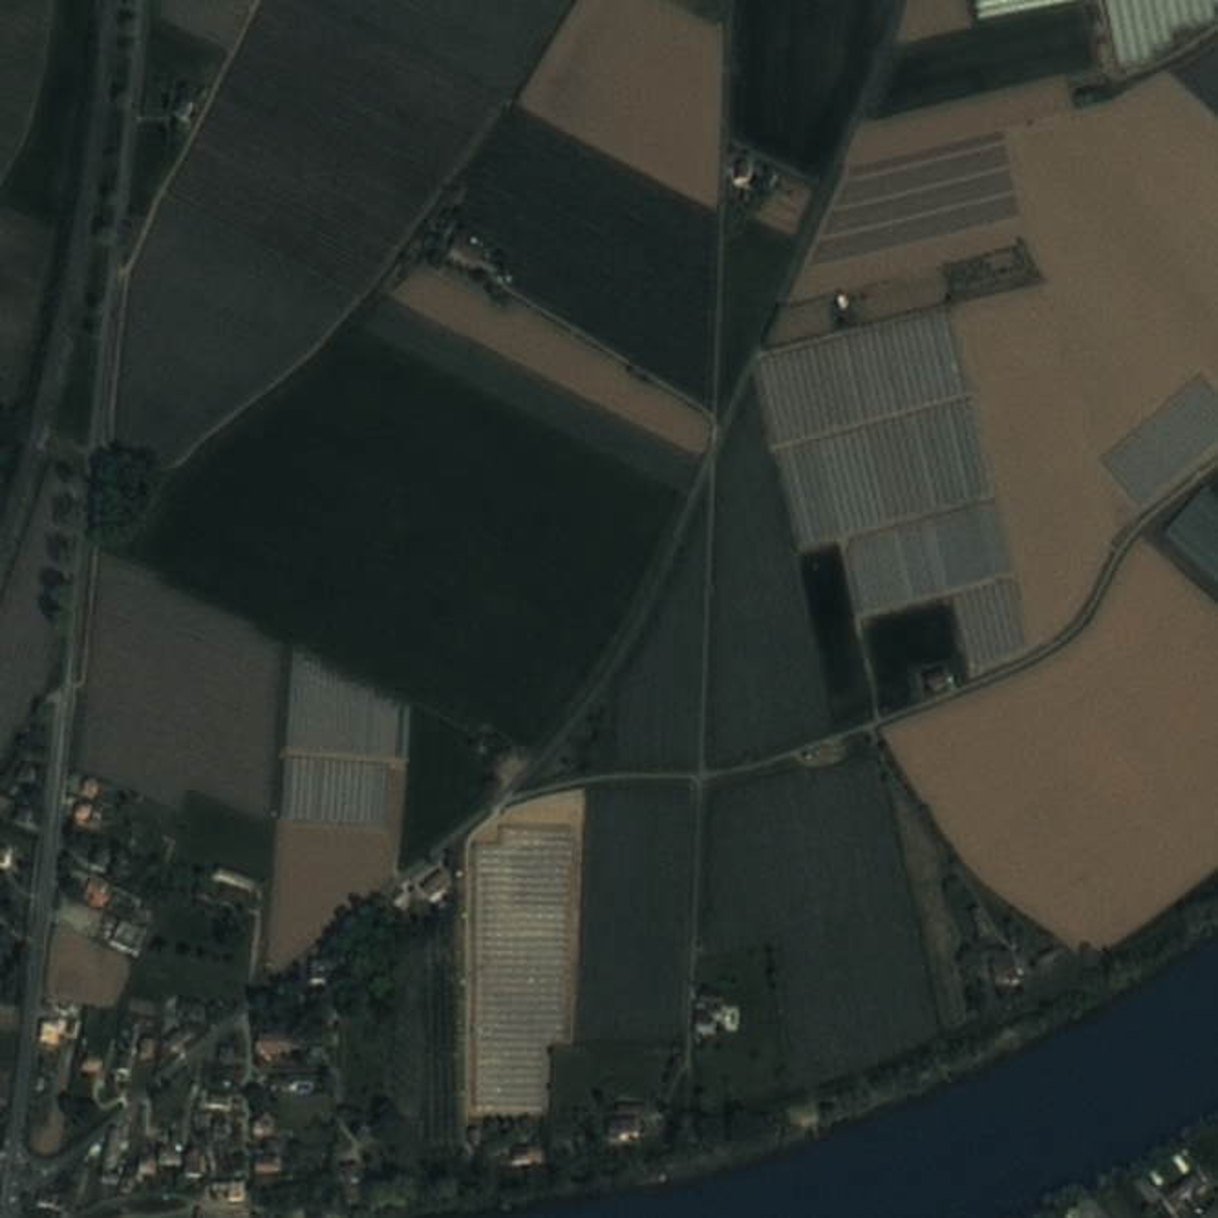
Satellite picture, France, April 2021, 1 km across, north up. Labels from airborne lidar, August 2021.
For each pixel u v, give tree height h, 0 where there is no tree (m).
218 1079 7
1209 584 0
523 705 0
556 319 0
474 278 6
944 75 0
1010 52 0
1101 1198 10
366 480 0
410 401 0
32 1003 0
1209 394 0
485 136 0
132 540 34
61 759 0
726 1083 9
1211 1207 6
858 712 0
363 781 0
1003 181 0
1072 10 0
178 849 0
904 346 0
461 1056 20
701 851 0
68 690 0
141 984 0
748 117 0
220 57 0
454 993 22
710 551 0
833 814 0
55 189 0
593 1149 12
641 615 0
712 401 0
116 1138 0
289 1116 0
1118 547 0
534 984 0
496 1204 11
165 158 0
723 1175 0
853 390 0
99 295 0
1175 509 0
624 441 0
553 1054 6
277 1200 9
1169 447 0
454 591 0
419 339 0
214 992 0
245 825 0
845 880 0
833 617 0
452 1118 21
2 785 9
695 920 0
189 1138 0
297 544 0
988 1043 15
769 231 0
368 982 11
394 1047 14
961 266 6
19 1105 0
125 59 20
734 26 0
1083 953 6
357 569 0
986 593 0
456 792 0
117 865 17
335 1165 8
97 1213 0
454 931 20
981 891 0
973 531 0
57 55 0
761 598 0
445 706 0
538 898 0
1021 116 0
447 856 7
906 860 0
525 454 0
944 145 0
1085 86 0
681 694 0
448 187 7
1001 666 0
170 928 0
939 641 0
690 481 0
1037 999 0
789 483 0
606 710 7
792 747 0
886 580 0
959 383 0
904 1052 0
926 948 0
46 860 0
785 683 0
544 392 0
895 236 0
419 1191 25
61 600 34
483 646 0
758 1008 0
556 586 0
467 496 0
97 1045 0
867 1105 16
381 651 0
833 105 0
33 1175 10
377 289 0
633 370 6
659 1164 11
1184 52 0
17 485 0
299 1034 14
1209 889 0
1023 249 7
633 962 0
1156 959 10
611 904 0
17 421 8
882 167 0
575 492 0
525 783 0
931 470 0
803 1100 0
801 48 0
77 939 0
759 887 0
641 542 0
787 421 0
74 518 28
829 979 0
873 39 0
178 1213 0
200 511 0
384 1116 15
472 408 0
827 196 0
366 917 23
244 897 8
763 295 0
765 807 0
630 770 0
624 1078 0
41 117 0
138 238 14
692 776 0
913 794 9
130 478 32
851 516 0
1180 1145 11
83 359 0
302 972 12
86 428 0
